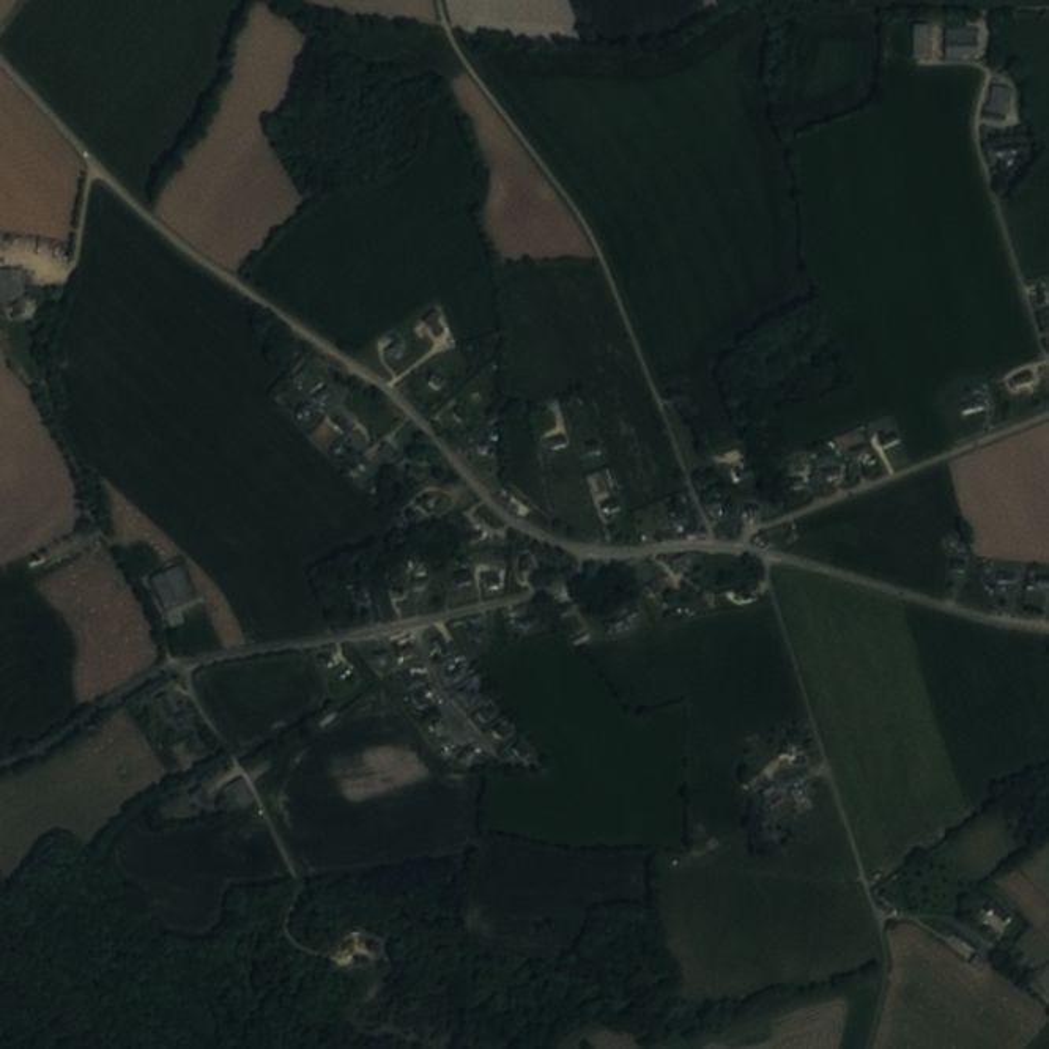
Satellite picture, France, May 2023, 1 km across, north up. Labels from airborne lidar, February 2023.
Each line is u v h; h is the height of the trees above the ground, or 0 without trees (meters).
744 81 0
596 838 0
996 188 13
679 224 0
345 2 0
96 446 0
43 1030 22
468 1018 16
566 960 17
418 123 9
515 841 10
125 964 21
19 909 17
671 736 0
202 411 0
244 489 0
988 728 0
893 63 0
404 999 12
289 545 0
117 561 12
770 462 19
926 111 0
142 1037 23
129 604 0
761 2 9
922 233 0
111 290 0
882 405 0
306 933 18
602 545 0
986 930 11
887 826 0
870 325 0
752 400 22
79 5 0
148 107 0
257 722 0
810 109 0
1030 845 17
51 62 0
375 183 9
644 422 0
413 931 23
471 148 10
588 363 0
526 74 0
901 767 0
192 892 0
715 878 0
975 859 0
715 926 0
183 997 23
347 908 18
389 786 0
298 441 0
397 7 0
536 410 9
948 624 0
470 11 0
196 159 0
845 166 0
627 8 0
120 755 0
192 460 0
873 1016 0
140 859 0
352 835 0
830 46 0
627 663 0
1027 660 0
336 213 0
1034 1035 0
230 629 0
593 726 0
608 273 0
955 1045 0
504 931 0
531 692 0
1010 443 0
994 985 0
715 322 0
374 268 0
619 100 0
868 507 0
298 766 0
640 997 22
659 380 0
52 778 0
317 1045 10
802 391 23
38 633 0
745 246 0
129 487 0
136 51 0
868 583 0
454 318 0
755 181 0
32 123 0
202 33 0
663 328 0
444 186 0
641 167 0
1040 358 0
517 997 8
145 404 0
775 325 17
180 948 19
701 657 0
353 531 0
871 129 0
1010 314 0
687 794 10
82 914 14
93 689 0
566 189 0
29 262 0
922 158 0
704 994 0
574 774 0
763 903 0
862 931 0
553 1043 22
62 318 12
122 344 0
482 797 11
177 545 0
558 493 0
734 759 0
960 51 0
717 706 0
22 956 20
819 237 0
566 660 0
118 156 0
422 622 0
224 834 0
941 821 0
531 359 0
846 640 0
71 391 0
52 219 0
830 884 0
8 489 0
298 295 0
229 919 17
